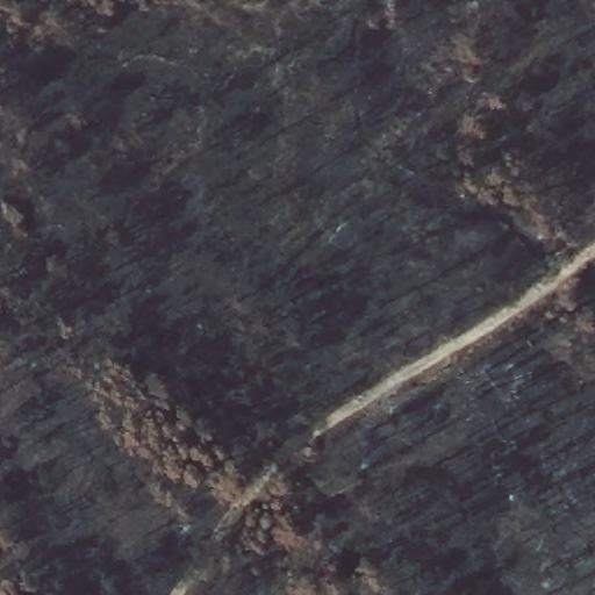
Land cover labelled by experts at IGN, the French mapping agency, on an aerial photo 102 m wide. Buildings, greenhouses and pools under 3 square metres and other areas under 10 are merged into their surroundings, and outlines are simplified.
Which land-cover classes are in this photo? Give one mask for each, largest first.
<instances>
[{"label":"bare soil","instance_id":"1","mask_svg":"<svg viewBox=\"0 0 595 595\"><path fill-rule=\"evenodd\" d=\"M576 0H137V9L130 12L119 26L93 28L81 23L72 33H51L46 37H35L33 33L28 42H19V46L9 51L5 60L0 58V502L12 504L14 525L26 530V544H35V549L44 555L30 560L28 569V583L35 588V595H170L181 583L188 569H207L209 579L191 588L186 595H291L288 586L281 590L274 586V560L246 549L249 542H256L258 537V525H246V518L239 516L235 518L230 532L221 542L214 539V525L228 511V500L214 497L212 502L200 504L193 514H174L165 507H158L153 497L144 493V488L132 476L130 467L126 465V453L109 444L98 418L91 414L84 393L67 372L70 367L91 372L95 360H114L123 367H130L135 381H144L146 374H156L167 390V402L184 409L191 418L205 421V428L212 432V442L228 456V460L237 469V488H246L263 472L267 465H277V469L281 472L284 483L288 488L281 497V514L291 521L295 535L311 532L314 518L318 514H325L330 518L328 530H323L321 535V542L335 544L337 553L332 555V562L337 567V586L344 579H351L358 565H367L374 569L377 581L381 586L393 588L395 595H595V258L586 263L576 274H572L558 291L549 293L537 304H532L525 314L507 321L502 328L476 339L474 344L451 353L449 360H442L423 374L400 383L393 393L379 397L374 404L360 409L351 418L337 423L330 432L316 437L311 435V430L316 428V423L325 421L332 411L344 407L356 395L367 393L383 379H388L393 372L432 353L437 346L451 342L453 337L465 335L488 316L497 314L500 309L511 307L532 286L555 277L576 253H581L588 244L595 242V63L593 33L576 16ZM476 58L486 63V70L490 72L493 84L502 91V95L509 102H518L525 112L528 128L530 132H535V153L539 156L542 184L549 195V216H544L535 207L483 205L472 195L467 200H460V186L444 172L442 163L432 151L435 135L439 132V121L460 95V63H476Z\"/></svg>","mask_w":595,"mask_h":595},{"label":"coniferous trees","instance_id":"2","mask_svg":"<svg viewBox=\"0 0 595 595\"><path fill-rule=\"evenodd\" d=\"M137 9V0H0V58L5 60L9 51L19 46V42H28L33 33L35 37H46L51 33H72L81 23L93 28L119 26L130 12ZM576 16L593 33L595 63V0H576ZM460 95L439 121V132L435 135L432 151L442 163L444 172L460 186V200H467L472 195L483 205L535 207L544 216H549V195L542 184L539 156L535 153V132H530L528 128L525 112L518 102H509L502 95V91L493 84L490 72L486 70V63L476 58V63H460ZM67 372L84 393L91 414L98 418L109 444L126 453V465L130 467L132 476L144 488V493L153 497L158 507H165L174 514H193L200 504L212 502L214 497L228 500L242 495L246 488H237V469L228 460V456L212 442V432L205 428V421L191 418L184 409L167 402V390L156 374H146L144 381H135L130 367H123L114 360H95L91 372L70 367ZM263 472L270 476V483L251 504H246L239 511V516L246 518V525H258V537L256 542H249L246 549L274 560V586L281 590L288 586L291 595H395L393 588L381 586L377 581L374 569L367 565H358L351 579H344L337 586V567L332 562V555L337 553L335 544L321 542V535L323 530H328L330 518L325 514H318L314 518L311 532L295 535L291 521L281 514V497L288 488L284 483L281 472L277 469V465H267ZM44 555L35 549V544H26V530L14 525L12 504L0 502V595H35V588L28 583V569L30 560Z\"/></svg>","mask_w":595,"mask_h":595},{"label":"pervious surface","instance_id":"3","mask_svg":"<svg viewBox=\"0 0 595 595\"><path fill-rule=\"evenodd\" d=\"M595 258V242L588 244L581 253H576L555 277L532 286L511 307L500 309L497 314L488 316L465 335L453 337L451 342L437 346L432 353L393 372L388 379H383L367 393L356 395L344 407L332 411L325 421L316 423V428L311 430V435L316 437L330 432L337 423L351 418L360 409L374 404L379 397L393 393L400 383L423 374L442 360H449L451 353L474 344L476 339L502 328L507 321L525 314L532 304H537L549 293L558 291L572 274H576L586 263ZM270 483V476L263 472L246 488L242 495L228 500V511L214 525V539L221 542L230 532L235 518L239 516V511L246 504H251ZM209 579L207 569H188L181 583L170 595H186L191 588Z\"/></svg>","mask_w":595,"mask_h":595}]
</instances>
